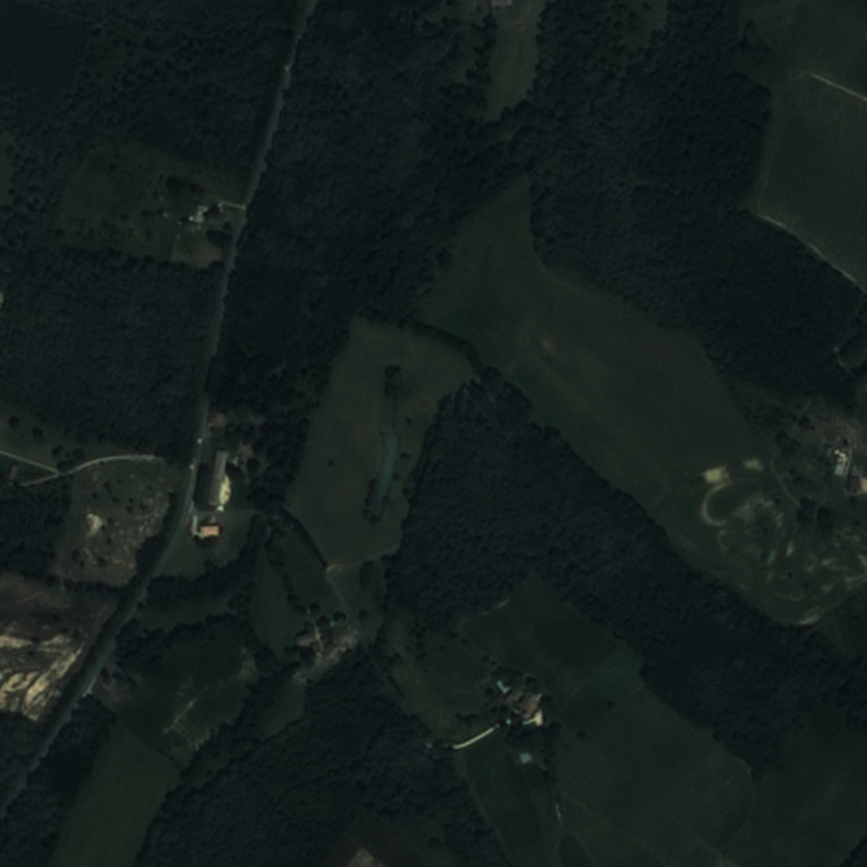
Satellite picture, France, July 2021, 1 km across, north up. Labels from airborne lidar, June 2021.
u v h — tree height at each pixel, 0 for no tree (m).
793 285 24
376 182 19
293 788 6
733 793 0
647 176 19
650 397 0
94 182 0
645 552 21
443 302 0
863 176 0
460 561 20
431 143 28
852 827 0
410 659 0
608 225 17
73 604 0
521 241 0
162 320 16
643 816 0
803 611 0
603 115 18
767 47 5
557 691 0
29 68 11
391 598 14
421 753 21
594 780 0
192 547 0
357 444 0
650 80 24
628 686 0
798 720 22
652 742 0
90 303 25
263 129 14
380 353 0
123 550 0
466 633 0
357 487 0
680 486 0
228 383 13
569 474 23
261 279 19
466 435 17
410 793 22
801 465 0
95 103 17
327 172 24
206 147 23
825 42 0
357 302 18
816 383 22
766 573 0
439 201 14
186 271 19
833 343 16
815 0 0
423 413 0
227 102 20
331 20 14
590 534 26
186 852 19
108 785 0
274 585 0
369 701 6
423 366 0
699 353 0
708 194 20
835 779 0
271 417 11
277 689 16
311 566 0
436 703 0
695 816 0
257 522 15
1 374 21
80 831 0
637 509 18
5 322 12
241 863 17
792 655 21
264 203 16
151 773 0
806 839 0
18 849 26
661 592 21
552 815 0
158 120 26
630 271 17
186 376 15
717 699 15
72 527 0
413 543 18
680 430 0
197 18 18
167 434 21
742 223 17
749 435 0
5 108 13
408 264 17
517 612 0
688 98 21
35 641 9
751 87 13
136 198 0
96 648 6
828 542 0
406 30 19
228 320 12
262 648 12
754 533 0
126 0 11
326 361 7
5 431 0
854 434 0
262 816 16
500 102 0
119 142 12
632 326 0
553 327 0
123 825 0
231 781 18
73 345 20
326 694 9
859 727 21
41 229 22
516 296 0
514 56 0
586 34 22
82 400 19
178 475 0
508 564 21
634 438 0
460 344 14
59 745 18
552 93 21
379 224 23
